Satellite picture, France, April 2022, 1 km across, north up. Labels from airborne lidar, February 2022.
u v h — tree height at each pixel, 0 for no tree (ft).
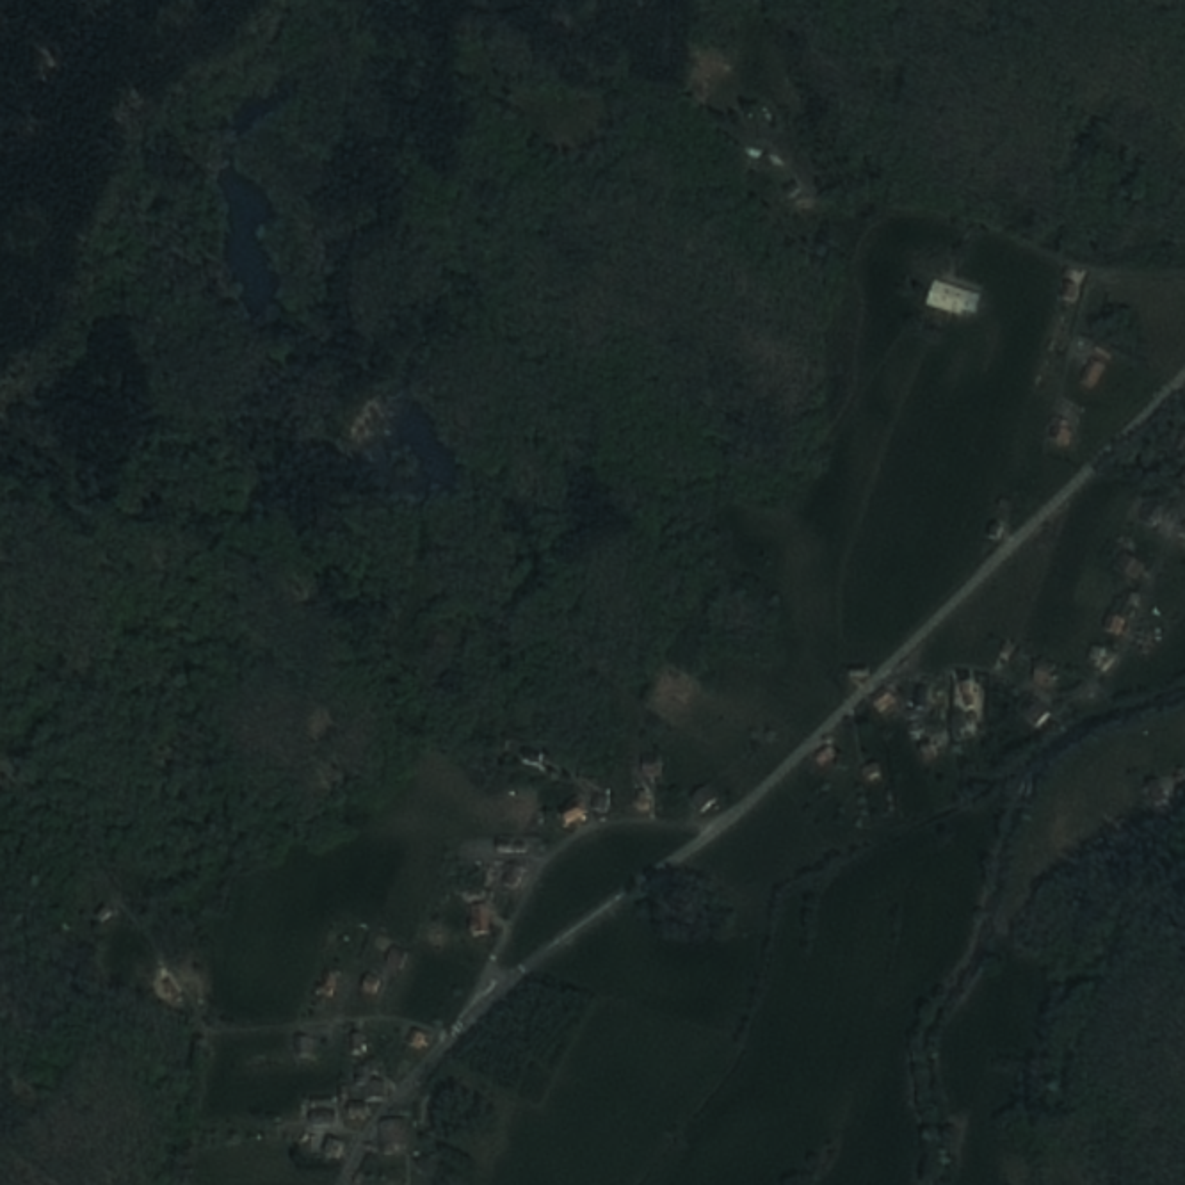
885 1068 0
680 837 0
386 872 0
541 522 59
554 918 0
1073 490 0
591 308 83
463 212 76
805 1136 0
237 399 86
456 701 64
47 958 81
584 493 101
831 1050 0
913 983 0
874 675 0
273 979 0
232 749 49
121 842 63
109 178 85
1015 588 0
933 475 0
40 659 84
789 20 80
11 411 44
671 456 56
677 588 52
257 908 0
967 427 0
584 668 87
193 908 19
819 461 66
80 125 82
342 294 111
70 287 54
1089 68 51
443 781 0
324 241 71
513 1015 55
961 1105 0
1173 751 0
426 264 73
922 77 65
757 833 0
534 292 80
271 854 58
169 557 42
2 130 72
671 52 44
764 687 0
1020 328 0
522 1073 47
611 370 69
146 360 36
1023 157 36
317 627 58
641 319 77
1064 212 36
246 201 0
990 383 0
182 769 78
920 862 0
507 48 67
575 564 59
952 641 0
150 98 71
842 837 0
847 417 0
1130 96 55
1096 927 72
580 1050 0
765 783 0
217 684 73
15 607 83
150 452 63
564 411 71
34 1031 86
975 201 65
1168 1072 55
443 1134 50
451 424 28
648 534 58
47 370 67
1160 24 68
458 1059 45
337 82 77
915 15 63
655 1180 0
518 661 66
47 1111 68
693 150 53
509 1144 0
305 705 51
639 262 63
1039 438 0
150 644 75
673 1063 0
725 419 76
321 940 0
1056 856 0
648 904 34
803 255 62
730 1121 0
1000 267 0
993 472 0
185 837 77
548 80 73
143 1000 60
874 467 0
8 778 33
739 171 52
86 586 79
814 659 0
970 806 58
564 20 25
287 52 68
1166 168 64
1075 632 0
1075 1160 60
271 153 87
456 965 0
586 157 68
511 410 78
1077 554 0
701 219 62
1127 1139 75
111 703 85
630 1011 0
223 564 69
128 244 73
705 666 33
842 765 25
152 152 79
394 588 85
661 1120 0
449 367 68
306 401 87
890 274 0
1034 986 0
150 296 66
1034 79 73
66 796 85
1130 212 62
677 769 0
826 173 35
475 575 57
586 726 55
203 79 73
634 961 0
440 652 62
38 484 66
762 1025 0
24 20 72
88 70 73
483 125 58
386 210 89
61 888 33
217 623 72
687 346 64
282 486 57
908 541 0
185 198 87
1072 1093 81
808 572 0
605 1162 0
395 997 0
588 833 0
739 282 32
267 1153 0
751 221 45
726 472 63
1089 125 52
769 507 37
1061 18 63
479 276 88
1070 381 0
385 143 80
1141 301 0
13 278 43
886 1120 0
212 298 80
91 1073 76
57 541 76
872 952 0
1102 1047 71
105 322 44
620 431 74
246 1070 0
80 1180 72
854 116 56
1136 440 39
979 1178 0
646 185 59
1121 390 0
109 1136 63
